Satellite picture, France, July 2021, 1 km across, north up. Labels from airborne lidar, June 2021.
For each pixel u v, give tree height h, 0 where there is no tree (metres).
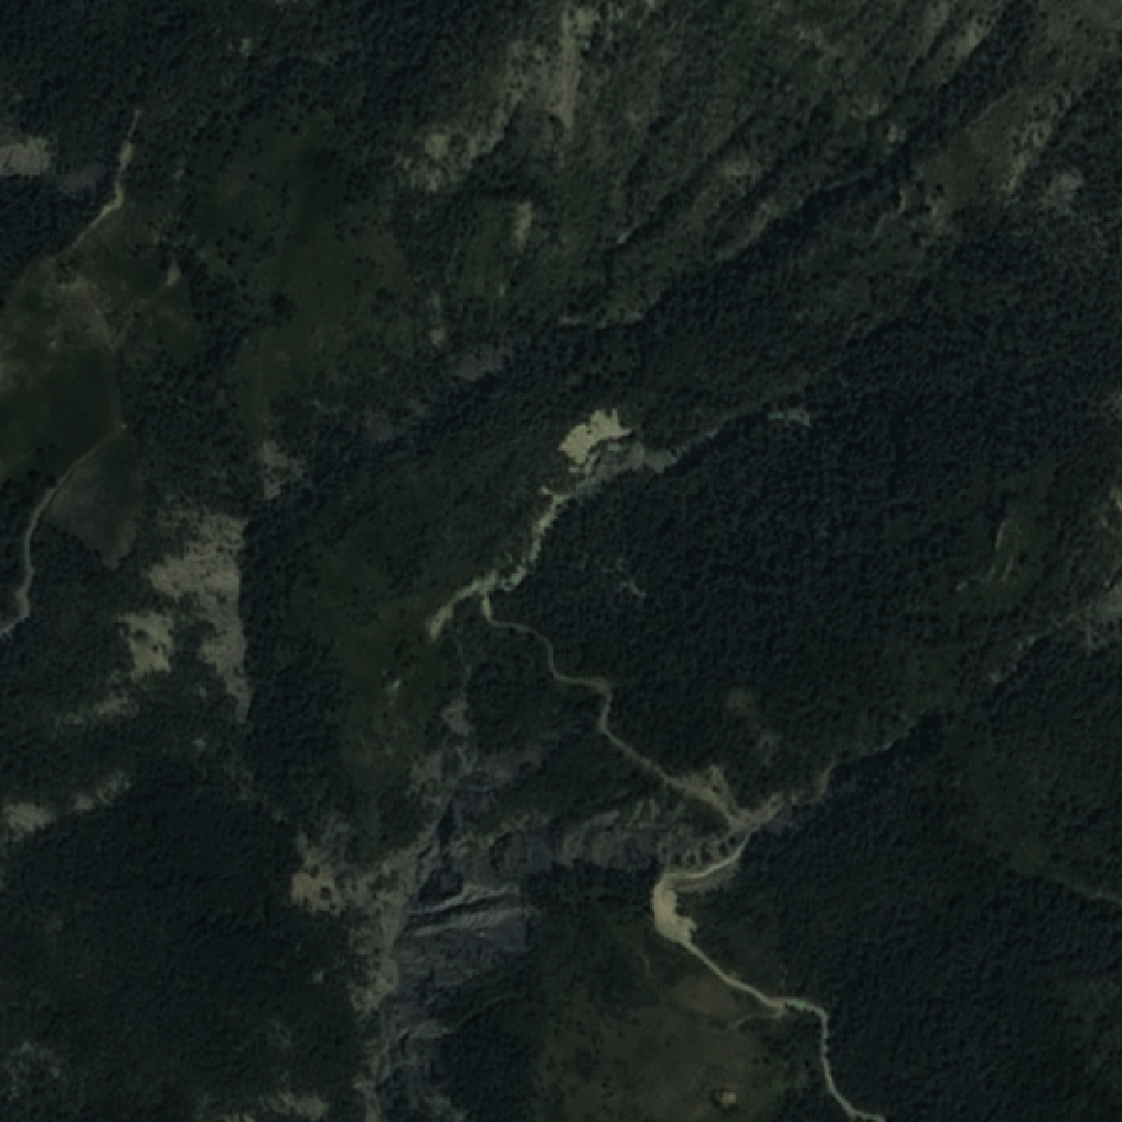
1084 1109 7
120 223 0
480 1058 7
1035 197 6
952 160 0
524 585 7
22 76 7
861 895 6
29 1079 7
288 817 8
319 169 7
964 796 8
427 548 6
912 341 18
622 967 7
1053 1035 6
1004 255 14
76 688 13
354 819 7
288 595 9
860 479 21
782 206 6
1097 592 12
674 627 9
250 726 7
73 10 7
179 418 14
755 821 0
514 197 9
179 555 7
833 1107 11
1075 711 8
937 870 14
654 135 14
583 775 6
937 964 8
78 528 0
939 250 7
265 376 0
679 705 6
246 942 16
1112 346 10
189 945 13
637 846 0
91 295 0
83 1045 7
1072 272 6
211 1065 7
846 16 10
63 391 0
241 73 6
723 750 9
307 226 0
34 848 12
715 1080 0
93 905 12
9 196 13
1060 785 7
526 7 13
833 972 8
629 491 8
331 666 6
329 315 0
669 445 7
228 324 6
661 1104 0
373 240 0
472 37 11
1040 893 10
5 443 0
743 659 14
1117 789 7
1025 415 8
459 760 7
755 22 0
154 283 0
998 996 7
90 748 15
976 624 9
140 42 16
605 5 6
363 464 7
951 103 10
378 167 7
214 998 9
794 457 8
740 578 14
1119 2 0
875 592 6
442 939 0
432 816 6
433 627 0
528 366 9
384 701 0
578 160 6
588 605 6
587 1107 0
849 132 7
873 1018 10
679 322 15
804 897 6
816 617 12
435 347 6
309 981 7
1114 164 7
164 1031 10
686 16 17
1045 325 14
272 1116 9
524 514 7
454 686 13
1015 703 12
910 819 11
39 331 0
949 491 15
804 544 16
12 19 15
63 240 6
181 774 13
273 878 7
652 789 8
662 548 16
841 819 7
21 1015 11
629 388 6
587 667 8
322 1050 11
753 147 12
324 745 6
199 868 13
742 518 11
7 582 8
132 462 0
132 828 14
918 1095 9
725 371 9
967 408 12
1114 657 10
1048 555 8
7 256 9
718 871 0
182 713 9
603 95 7
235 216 0
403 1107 10
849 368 10
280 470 8
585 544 7
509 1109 8
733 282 11
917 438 11
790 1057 7
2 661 11
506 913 0
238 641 0
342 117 6
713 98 15
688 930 0
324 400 9
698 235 8
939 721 9
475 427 11
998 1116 13
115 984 12
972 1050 9
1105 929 8
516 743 8
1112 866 9
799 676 10
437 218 8
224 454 10
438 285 9
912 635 8
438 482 0
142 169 9
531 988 6
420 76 15
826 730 9
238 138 8
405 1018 0
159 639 0
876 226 16
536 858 0
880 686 8
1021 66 7
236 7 10
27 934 7
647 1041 0
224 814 10
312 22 9
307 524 7
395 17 11
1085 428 10
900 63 12
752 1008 0
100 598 7
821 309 8
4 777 6
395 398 7
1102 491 7
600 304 9
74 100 10
